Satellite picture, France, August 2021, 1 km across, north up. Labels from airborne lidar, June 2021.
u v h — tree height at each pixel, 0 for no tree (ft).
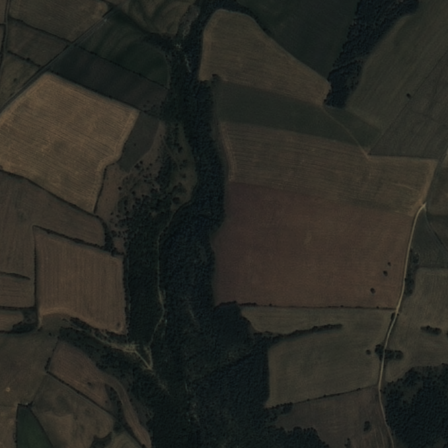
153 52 0
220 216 19
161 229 24
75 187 0
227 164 0
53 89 0
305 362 0
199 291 23
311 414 0
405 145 0
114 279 0
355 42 28
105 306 0
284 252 0
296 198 0
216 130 0
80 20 0
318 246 0
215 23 0
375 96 0
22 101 0
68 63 0
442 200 0
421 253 0
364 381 0
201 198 23
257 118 0
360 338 0
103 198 0
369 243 0
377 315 0
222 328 28
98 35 0
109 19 0
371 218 0
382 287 0
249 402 20
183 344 22
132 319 29
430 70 0
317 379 0
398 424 23
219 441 20
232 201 0
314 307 0
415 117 0
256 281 0
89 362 0
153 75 0
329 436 0
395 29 0
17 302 0
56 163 0
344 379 0
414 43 0
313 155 0
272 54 0
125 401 0
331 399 0
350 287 0
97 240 0
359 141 0
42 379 0
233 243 0
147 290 29
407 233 0
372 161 0
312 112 0
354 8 0
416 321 0
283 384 0
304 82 0
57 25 0
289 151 0
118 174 0
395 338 0
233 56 0
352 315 0
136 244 37
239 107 0
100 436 0
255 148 0
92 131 0
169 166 23
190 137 24
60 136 0
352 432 0
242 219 0
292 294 0
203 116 25
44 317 0
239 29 0
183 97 24
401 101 0
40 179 0
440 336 0
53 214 0
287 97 0
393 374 0
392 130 0
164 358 23
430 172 0
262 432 22
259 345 38
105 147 0
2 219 0
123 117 0
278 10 0
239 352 26
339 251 0
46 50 0
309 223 0
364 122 0
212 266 23
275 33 0
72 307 0
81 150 0
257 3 0
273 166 0
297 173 0
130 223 24
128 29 0
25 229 0
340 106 33
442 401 31
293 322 0
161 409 26
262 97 0
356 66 30
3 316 0
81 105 0
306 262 0
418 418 35
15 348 0
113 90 0
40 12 0
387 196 0
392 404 20
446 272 0
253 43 0
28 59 26
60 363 0
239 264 0
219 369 23
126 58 0
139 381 24
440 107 0
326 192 0
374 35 24
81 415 0
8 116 0
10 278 0
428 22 0
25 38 0
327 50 0
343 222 0
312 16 0
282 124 0
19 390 0
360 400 0
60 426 0
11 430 0
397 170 0
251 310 0
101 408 0
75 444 0
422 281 0
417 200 0
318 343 0
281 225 0
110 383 0
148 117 0
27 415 0
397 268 0
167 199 27
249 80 0
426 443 30
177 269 25
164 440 24
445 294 0
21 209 0
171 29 0
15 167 0
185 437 27
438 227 0
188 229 28
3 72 0
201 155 36
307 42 0
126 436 0
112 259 0
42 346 0
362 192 0
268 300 0
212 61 0
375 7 32
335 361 0
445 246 0
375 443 0
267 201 0
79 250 0
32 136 0
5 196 0
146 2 0
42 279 0
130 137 0
